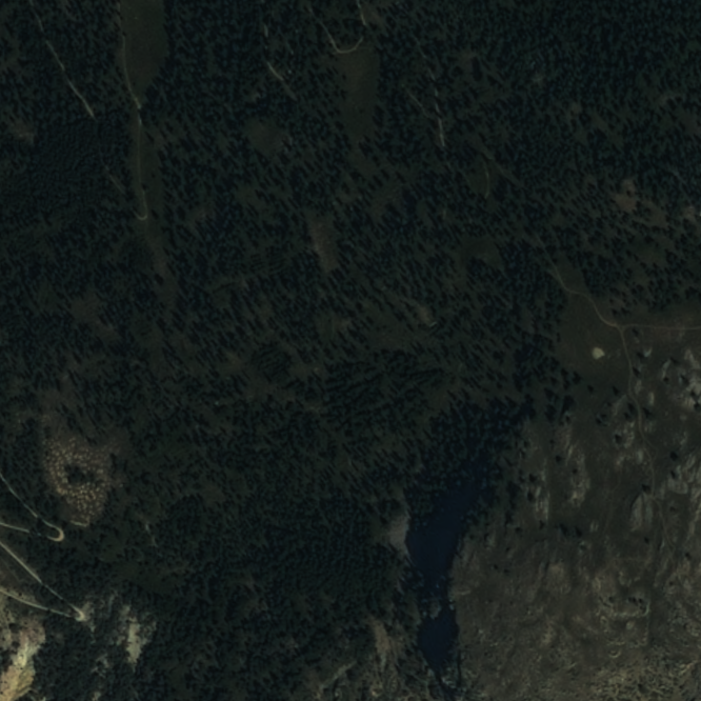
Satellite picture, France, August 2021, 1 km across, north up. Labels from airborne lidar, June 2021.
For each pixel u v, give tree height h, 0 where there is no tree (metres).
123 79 21
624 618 0
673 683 0
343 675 0
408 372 11
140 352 31
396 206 0
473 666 0
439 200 28
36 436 17
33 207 8
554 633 0
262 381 0
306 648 7
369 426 7
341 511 21
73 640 10
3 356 15
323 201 27
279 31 22
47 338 25
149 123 21
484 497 8
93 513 0
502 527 0
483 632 0
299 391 9
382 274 24
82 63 7
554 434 0
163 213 0
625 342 0
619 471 0
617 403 0
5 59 20
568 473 0
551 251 11
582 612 0
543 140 24
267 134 0
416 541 0
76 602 7
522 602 0
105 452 0
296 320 31
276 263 8
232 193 24
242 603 23
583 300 0
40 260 9
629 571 0
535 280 26
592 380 0
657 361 0
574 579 0
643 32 19
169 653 11
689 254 21
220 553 19
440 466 20
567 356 0
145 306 28
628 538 0
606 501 0
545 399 0
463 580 0
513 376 0
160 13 0
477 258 0
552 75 19
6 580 0
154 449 7
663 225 0
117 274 26
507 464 0
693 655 0
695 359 0
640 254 0
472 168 27
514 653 0
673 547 0
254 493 27
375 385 11
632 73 11
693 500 0
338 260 0
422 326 8
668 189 20
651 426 0
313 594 21
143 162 0
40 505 18
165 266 0
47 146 15
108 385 8
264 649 16
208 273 28
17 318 9
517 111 21
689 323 0
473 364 16
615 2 20
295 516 20
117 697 16
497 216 0
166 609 16
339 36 8
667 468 0
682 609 0
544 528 11
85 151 13
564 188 25
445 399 0
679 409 0
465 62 0
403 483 28
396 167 22
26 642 0
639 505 0
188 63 7
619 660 0
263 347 9
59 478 0
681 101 8
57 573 7
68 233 8
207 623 22
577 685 0
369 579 23
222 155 23
